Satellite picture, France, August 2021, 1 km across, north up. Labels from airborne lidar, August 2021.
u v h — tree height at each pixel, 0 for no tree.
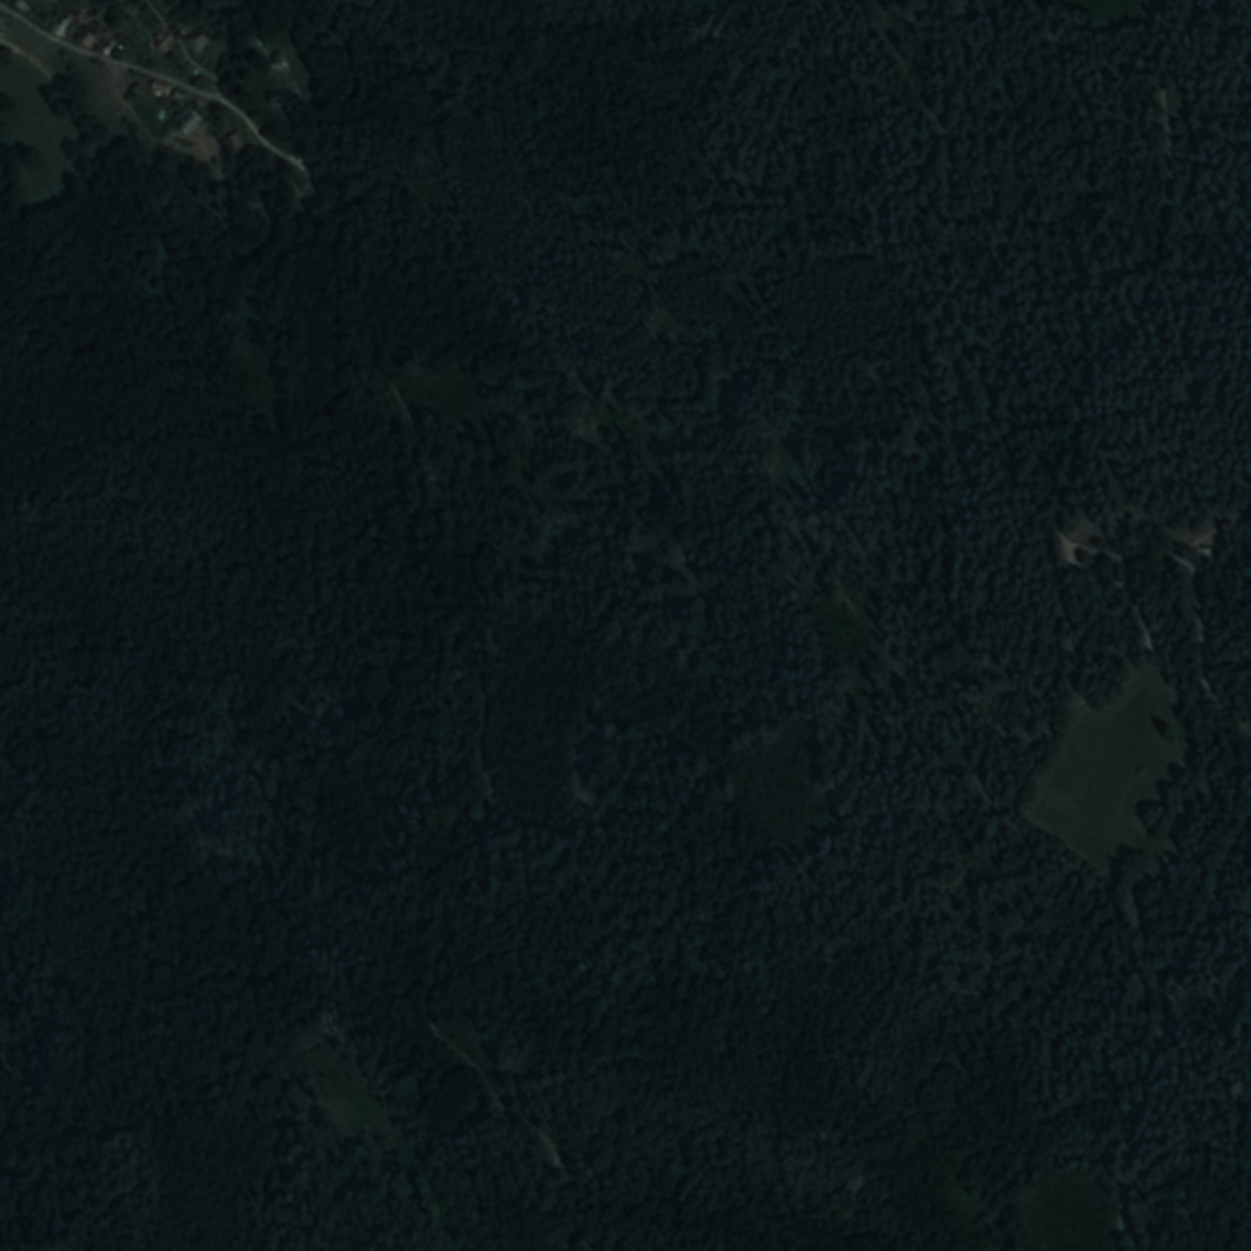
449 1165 20
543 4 38
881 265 18
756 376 17
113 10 8
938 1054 17
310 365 27
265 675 28
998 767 16
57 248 25
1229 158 25
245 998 29
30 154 26
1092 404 22
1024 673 15
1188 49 25
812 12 25
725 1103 15
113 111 0
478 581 17
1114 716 0
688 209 16
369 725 28
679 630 35
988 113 12
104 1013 33
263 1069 9
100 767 23
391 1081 13
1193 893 20
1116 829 0
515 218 13
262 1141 20
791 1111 13
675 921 14
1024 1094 8
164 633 18
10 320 19
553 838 23
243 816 36
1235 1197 17
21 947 31
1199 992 30
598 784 23
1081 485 11
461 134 20
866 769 22
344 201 17
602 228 13
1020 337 30
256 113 8
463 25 30
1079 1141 18
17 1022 19
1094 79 28
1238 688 21
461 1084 20
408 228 28
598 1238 21
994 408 11
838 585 8
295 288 26
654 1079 19
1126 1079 14
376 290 27
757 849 7
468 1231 15
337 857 6
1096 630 17
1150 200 11
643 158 7
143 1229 13
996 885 28
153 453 22
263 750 33
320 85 17
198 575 14
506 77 11
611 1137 22
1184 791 20
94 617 20
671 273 15
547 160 18
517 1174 31
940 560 17
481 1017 16
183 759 39
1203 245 15
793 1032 7
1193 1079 31
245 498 25
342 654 18
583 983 15
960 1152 14
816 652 29
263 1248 10
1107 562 20
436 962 9
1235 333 28
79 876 28
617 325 16
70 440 18
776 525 27
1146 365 29
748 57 24
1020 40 21
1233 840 10
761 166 32
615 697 6
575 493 35
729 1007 16
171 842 28
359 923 21
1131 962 8
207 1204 19
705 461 34
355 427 25
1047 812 0
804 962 9
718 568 20
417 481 25
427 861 16
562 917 14
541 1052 11
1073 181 28
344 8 15
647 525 29
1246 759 23
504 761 9
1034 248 14
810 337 13
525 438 29
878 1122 14
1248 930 26
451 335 25
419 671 25
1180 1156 26
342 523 22
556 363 36
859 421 11
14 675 24
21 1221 10
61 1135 33
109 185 23
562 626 8
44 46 0
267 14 29
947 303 20
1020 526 26
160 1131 14
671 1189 9
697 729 6
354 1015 13
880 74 26
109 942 32
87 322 24
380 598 13
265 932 28
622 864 26
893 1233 9
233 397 32
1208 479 22
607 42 8
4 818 24
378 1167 27
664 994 21
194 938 29
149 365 20
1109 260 28
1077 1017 28
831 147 20
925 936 28
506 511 12
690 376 26
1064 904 6
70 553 15
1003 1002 25
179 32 8
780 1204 19
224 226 25
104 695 34
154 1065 25
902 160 20
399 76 8
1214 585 6
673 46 9
